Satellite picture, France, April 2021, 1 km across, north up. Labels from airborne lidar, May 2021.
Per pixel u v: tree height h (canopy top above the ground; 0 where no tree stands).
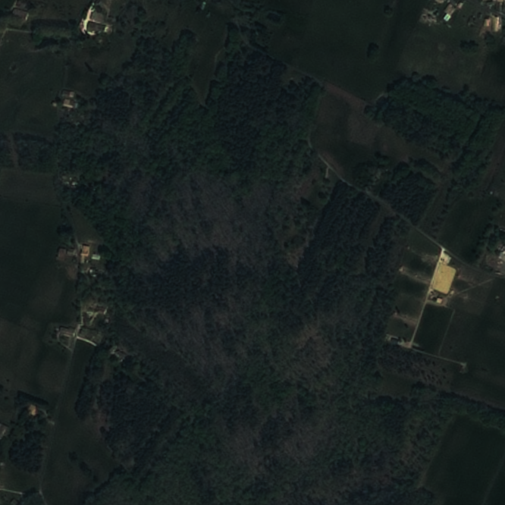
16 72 0
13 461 17
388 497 13
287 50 0
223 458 20
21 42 0
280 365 20
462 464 0
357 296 19
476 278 0
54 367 0
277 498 18
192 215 14
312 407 13
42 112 0
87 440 0
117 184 17
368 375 18
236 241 11
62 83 0
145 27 9
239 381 18
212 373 19
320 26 0
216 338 21
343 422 21
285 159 15
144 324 16
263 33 10
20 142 15
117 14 0
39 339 0
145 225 18
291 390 21
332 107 0
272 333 18
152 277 11
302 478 17
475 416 21
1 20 21
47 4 0
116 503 19
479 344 0
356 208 20
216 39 0
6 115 0
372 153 0
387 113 17
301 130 20
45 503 18
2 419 0
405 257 0
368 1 0
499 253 11
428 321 0
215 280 19
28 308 0
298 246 8
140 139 17
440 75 0
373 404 21
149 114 17
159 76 11
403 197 15
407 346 0
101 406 11
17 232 0
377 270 7
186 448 20
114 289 16
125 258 21
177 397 15
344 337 15
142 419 15
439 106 22
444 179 16
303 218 16
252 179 17
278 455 16
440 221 10
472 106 16
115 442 17
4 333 0
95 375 15
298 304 25
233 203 15
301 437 15
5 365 0
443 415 20
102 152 8
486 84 0
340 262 21
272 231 24
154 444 17
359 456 18
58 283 0
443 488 0
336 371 19
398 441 16
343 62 0
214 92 18
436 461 0
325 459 16
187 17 0
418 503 16
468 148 14
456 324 0
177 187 15
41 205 0
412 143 14
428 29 0
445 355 0
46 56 0
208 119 23
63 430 0
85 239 0
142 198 14
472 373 0
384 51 0
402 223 12
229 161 18
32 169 14
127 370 14
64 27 25
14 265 0
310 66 0
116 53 0
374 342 18
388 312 15
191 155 21
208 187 16
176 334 16
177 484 18
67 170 9
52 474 0
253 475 12
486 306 0
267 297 18
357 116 0
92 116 12
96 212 19
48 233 0
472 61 0
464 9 0
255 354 18
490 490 0
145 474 11
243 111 22
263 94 18
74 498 0
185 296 24
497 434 0
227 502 15
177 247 7
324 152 0
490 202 0
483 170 23
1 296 0
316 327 15
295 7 0
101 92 9
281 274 22
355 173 6
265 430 14
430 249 0
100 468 0
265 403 19
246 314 16
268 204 11
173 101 14
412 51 0
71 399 0
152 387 16
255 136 19
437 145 11
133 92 18
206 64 0
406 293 0
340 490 13
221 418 14
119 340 13
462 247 0
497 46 16
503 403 0
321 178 0
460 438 0
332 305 17
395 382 0
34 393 0
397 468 15
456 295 0
